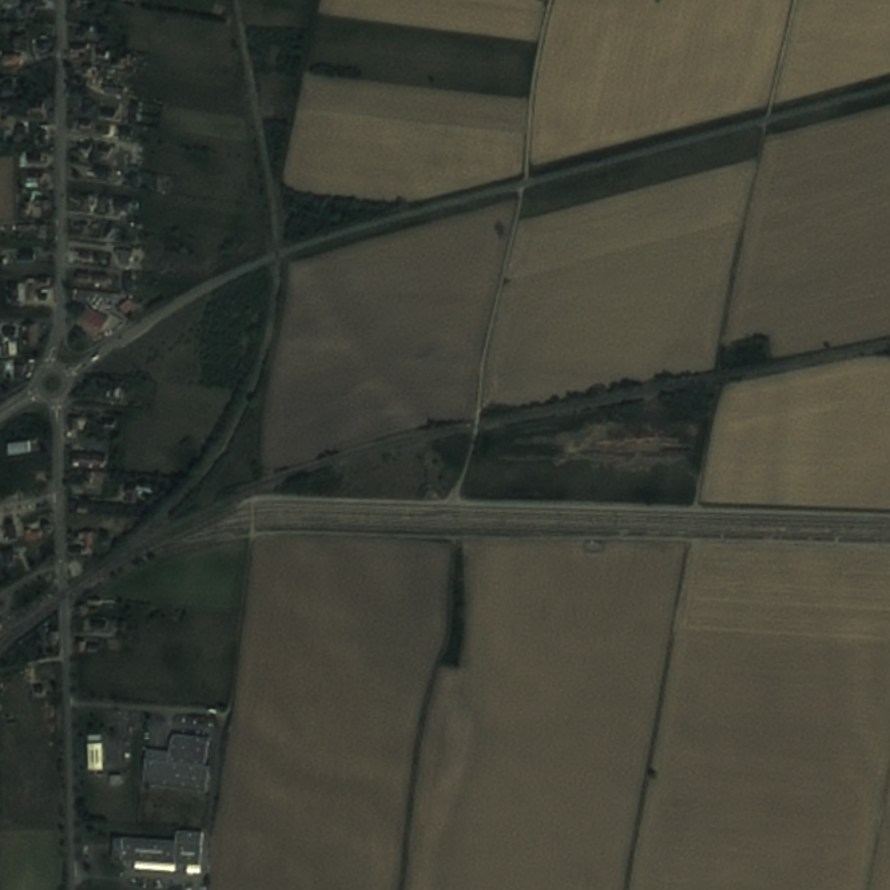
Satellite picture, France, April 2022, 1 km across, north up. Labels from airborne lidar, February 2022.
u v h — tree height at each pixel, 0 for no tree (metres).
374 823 0
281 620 0
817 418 0
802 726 0
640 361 0
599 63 0
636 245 0
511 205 0
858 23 0
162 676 0
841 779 0
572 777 0
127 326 0
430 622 0
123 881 0
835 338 0
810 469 0
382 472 0
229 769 0
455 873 0
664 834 0
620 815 0
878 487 0
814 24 0
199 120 0
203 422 0
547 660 0
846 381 0
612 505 0
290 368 0
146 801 0
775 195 0
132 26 0
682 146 0
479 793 0
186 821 0
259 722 0
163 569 0
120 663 0
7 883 0
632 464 0
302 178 0
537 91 0
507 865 0
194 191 0
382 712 0
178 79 0
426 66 0
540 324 0
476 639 0
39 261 0
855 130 0
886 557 0
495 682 0
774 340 0
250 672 0
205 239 0
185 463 0
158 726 0
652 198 0
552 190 0
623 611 0
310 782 0
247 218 0
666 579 0
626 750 0
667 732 0
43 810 0
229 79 0
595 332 0
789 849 0
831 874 0
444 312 0
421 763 0
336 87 0
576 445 0
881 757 0
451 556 0
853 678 0
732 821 0
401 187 0
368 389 0
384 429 0
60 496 0
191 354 0
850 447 0
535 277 0
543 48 0
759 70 0
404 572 0
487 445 0
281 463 0
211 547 0
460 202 0
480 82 0
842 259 0
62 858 8
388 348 0
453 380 0
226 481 0
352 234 0
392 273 0
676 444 0
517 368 0
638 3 0
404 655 0
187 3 0
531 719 0
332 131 0
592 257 0
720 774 0
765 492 0
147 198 0
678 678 0
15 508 0
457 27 0
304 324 0
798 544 0
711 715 0
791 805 0
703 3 0
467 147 0
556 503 0
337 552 0
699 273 0
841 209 0
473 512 0
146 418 0
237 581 0
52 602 0
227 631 0
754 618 0
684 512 0
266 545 0
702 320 0
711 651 0
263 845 0
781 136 0
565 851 0
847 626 0
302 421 0
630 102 0
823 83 0
